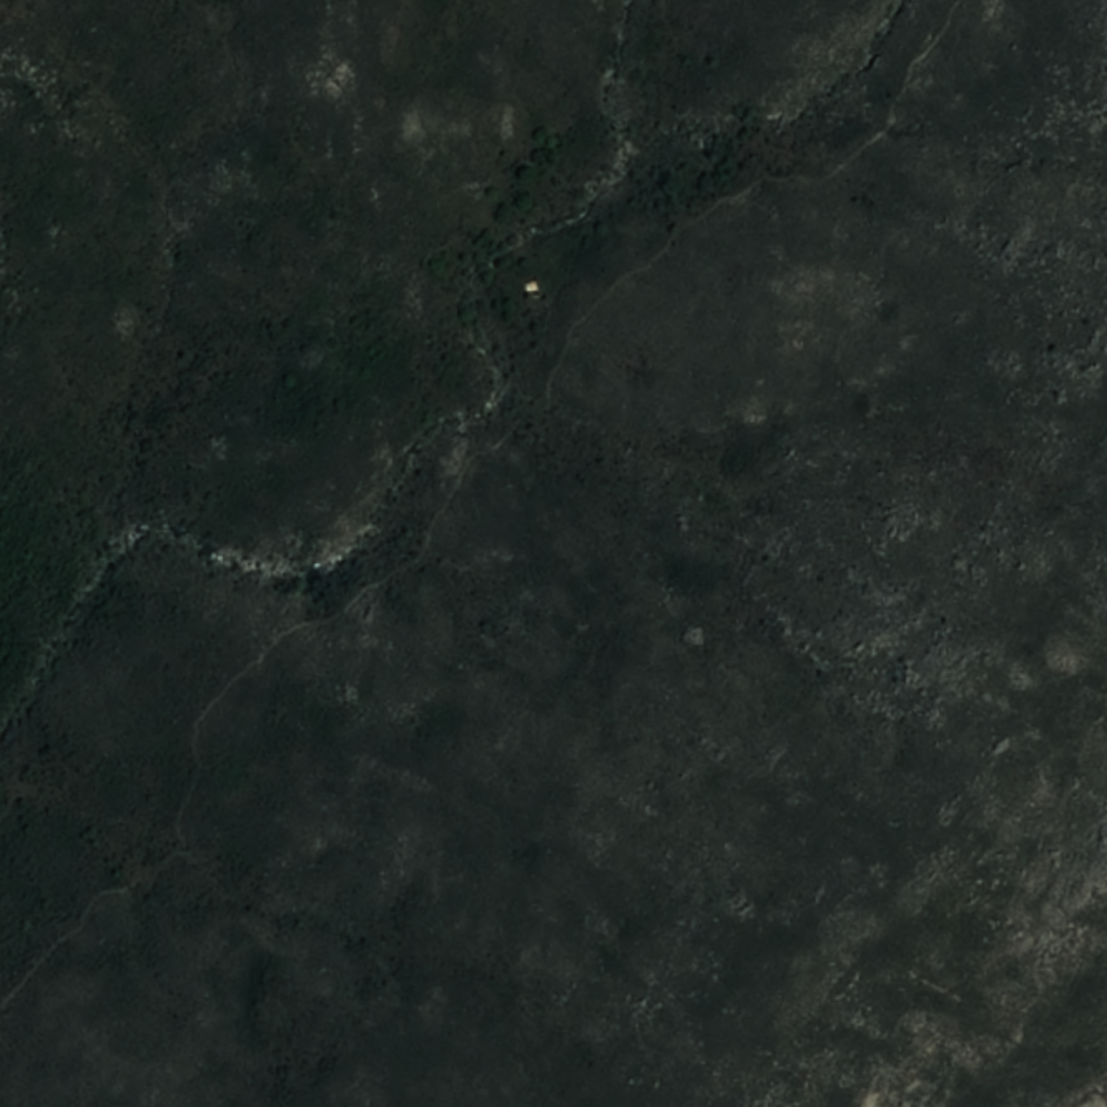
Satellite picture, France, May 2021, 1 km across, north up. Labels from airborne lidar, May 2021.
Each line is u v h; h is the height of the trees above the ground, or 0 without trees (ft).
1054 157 0
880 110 0
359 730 0
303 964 0
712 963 0
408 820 0
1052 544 0
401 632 0
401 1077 0
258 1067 0
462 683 0
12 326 20
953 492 0
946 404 0
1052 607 0
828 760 0
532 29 0
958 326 0
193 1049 0
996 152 0
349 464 0
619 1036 0
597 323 0
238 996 0
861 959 0
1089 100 0
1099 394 0
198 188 0
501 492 0
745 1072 0
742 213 0
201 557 29
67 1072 0
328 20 0
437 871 0
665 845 0
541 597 0
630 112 0
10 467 19
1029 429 0
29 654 40
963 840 0
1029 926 0
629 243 0
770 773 0
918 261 0
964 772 0
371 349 23
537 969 0
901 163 0
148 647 0
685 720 0
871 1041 0
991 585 0
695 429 0
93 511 31
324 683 0
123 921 0
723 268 0
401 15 0
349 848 0
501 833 0
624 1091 0
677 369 0
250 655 0
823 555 0
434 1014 0
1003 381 0
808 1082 0
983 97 0
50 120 20
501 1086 0
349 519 0
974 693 0
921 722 0
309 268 0
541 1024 0
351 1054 0
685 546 0
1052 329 0
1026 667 0
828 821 0
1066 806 0
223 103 0
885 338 0
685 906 0
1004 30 0
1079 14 0
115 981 0
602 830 0
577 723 0
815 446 0
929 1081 0
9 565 21
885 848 0
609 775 0
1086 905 0
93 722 0
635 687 0
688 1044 0
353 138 0
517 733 0
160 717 0
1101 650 0
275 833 0
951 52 0
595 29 0
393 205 0
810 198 0
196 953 0
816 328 0
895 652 0
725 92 0
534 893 0
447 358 30
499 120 0
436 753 0
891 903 0
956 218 0
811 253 0
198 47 0
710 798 0
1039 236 0
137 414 30
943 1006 0
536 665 0
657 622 0
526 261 27
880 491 0
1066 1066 0
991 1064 0
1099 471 0
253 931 0
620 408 0
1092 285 0
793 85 0
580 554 0
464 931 0
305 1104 0
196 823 0
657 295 0
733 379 0
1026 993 0
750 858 0
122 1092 0
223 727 0
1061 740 0
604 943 0
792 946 0
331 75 0
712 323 0
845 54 0
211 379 21
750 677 0
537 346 30
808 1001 0
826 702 0
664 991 0
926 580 0
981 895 0
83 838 24
